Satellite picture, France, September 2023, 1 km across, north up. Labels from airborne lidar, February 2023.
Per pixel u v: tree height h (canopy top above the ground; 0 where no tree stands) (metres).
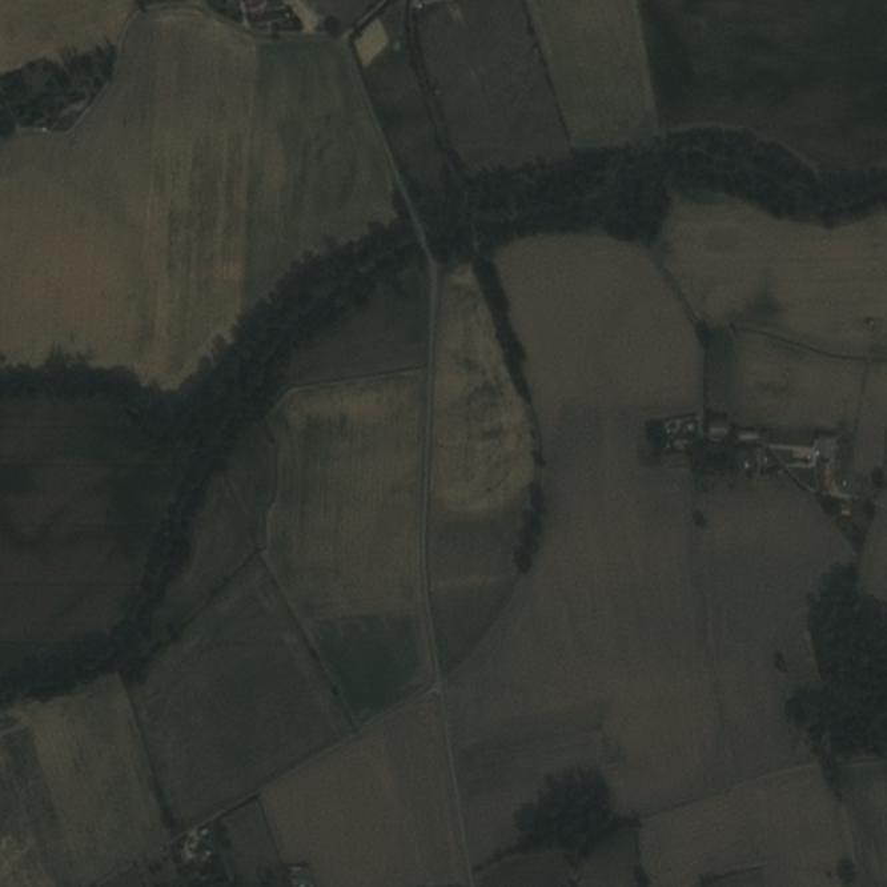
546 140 0
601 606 0
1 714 0
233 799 0
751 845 0
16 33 0
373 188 0
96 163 0
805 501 0
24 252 0
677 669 0
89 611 0
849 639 22
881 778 0
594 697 0
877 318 0
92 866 0
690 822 0
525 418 0
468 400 0
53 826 0
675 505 0
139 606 0
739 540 0
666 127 0
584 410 0
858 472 0
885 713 19
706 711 0
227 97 0
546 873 0
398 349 0
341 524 0
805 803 0
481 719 0
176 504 8
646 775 0
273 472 0
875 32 0
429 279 0
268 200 0
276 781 0
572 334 0
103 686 0
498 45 0
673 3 0
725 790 0
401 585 0
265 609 0
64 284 0
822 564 0
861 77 0
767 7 0
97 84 8
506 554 0
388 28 0
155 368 0
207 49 0
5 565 0
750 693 0
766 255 0
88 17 0
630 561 0
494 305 13
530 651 0
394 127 0
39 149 0
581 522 0
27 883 0
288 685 0
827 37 0
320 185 0
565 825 21
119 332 0
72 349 0
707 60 0
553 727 0
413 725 0
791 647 0
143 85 0
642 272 0
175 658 0
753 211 0
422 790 0
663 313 0
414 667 0
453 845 0
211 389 22
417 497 0
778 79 0
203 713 0
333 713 0
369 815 0
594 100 0
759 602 0
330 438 0
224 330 0
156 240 0
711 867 0
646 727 0
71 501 0
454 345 0
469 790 0
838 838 0
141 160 0
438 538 0
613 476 0
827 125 0
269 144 0
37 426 0
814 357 0
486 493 0
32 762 0
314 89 0
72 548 0
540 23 0
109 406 0
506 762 0
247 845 0
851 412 0
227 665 0
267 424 0
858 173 0
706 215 0
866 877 0
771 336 0
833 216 14
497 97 0
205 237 0
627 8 0
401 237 18
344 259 30
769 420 0
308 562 0
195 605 0
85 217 0
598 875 0
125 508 0
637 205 16
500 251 0
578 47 0
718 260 0
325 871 0
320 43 0
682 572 0
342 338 0
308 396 0
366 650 0
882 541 0
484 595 0
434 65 0
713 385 0
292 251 0
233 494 0
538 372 0
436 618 0
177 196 0
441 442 0
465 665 0
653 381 0
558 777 0
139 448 0
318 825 0
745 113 0
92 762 0
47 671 18
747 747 0
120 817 0
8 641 0
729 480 0
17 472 0
